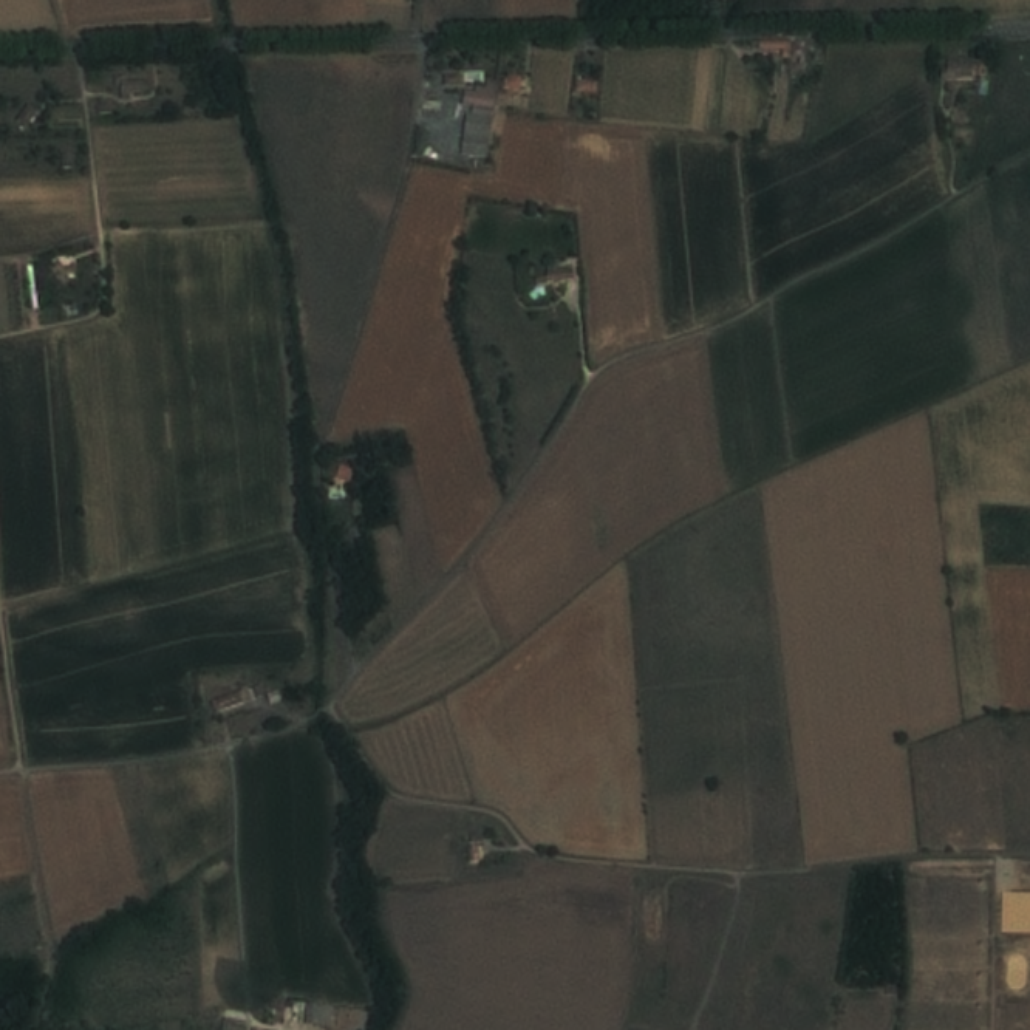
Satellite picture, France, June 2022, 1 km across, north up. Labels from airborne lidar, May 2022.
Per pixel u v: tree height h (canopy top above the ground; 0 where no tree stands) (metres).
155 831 0
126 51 25
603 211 0
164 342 0
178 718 0
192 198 0
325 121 0
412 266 0
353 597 15
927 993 0
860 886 9
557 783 0
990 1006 0
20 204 0
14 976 8
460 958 0
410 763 0
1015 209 0
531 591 0
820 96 0
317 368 0
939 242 0
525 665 0
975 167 0
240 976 0
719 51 0
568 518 0
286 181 0
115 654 0
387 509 23
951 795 0
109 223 0
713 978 0
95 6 0
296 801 0
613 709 0
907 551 0
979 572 0
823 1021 0
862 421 0
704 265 0
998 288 0
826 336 0
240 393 0
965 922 0
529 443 0
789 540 0
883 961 8
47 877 0
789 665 0
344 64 0
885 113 0
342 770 18
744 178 0
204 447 0
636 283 0
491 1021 0
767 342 0
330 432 0
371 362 0
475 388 15
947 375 0
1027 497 0
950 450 0
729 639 0
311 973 0
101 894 0
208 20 0
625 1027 0
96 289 8
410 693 0
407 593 0
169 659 0
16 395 0
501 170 0
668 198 0
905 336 0
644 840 0
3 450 0
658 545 0
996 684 0
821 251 0
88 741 0
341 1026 0
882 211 0
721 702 0
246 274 0
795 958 0
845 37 27
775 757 0
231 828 0
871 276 0
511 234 0
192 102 12
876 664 0
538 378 0
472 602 0
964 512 0
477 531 0
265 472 0
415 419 0
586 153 0
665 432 0
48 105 6
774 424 0
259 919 0
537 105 0
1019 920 0
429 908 0
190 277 0
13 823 0
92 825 0
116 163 0
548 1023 0
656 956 0
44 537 0
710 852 0
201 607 0
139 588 0
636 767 0
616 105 0
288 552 0
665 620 0
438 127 0
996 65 11
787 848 0
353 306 0
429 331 0
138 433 0
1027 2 0
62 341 0
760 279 0
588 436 0
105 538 0
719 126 0
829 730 0
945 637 0
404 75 0
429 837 0
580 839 0
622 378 0
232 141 0
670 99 0
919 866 0
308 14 0
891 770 0
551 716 0
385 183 0
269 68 0
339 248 0
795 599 0
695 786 0
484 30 28
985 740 0
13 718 0
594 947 0
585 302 6
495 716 0
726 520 0
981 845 0
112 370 0
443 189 0
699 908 0
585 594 0
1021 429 0
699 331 0
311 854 0
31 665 0
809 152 0
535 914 0
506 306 0
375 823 12
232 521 0
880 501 0
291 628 0
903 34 26
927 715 0
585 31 20
